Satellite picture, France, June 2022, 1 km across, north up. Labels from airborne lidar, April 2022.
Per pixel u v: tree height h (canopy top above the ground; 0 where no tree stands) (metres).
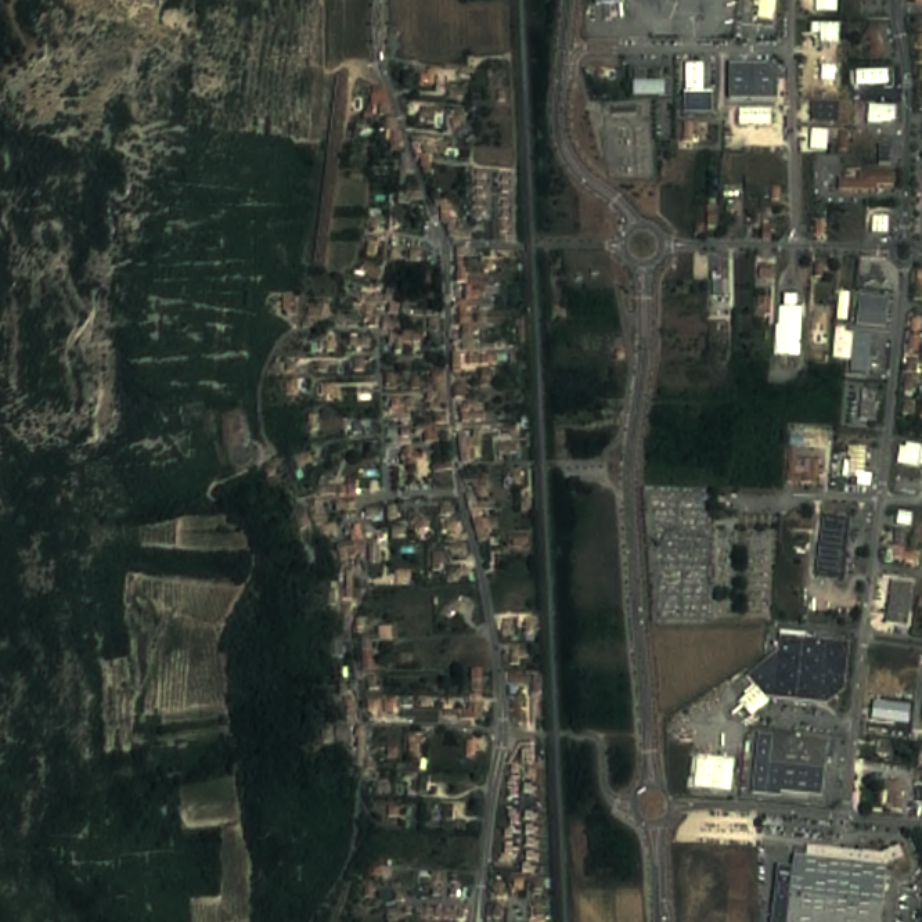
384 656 15
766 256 0
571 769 6
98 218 8
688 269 0
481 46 0
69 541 8
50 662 8
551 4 10
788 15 0
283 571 10
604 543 0
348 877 9
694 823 0
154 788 11
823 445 0
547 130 6
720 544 0
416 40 0
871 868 0
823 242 0
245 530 7
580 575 0
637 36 0
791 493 0
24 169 10
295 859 5
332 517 7
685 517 0
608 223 0
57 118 7
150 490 6
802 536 6
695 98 0
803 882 0
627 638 0
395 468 7
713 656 0
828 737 0
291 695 16
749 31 0
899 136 0
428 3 0
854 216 0
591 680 9
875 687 0
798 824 0
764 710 0
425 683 7
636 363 0
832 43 0
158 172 6
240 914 0
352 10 0
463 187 9
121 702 0
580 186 0
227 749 10
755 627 0
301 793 8
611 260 0
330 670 6
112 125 7
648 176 0
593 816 8
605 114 0
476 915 0
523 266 0
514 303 9
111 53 0
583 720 9
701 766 0
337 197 0
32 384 6
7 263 10
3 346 10
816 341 0
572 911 0
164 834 7
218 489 11
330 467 9
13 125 7
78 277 11
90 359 0
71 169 11
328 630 8
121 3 0
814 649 0
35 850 8
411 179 8
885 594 0
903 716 0
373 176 6
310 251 0
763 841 0
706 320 0
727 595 9
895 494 0
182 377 5
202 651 0
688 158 0
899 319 0
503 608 0
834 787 0
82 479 6
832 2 0
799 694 0
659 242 0
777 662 0
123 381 7
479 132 8
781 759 0
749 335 13
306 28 0
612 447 0
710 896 0
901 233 0
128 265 7
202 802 0
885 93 0
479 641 0
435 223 0
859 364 0
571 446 7
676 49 0
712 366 0
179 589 0
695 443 5
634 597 0
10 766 7
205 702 0
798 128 0
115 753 12
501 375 8
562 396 11
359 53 0
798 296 0
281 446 6
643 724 0
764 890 0
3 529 7
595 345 0
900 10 0
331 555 7
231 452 0
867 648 0
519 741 0
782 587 0
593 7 0
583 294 7
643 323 0
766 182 0
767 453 6
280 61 0
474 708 0
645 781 0
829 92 0
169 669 0
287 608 17
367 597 8
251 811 8
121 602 8
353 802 11
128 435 9
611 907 0
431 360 11
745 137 0
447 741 6
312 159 7
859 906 0
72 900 12
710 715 0
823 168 0
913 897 0
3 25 6
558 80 0
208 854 7
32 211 6
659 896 0
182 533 0
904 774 0
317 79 0
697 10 0
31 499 8
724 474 9
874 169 0
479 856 0
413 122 10
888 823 0
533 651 13
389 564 8
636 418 0
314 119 0
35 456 8
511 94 0
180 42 0
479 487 0
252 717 19
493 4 0
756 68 0
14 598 7
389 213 9
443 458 10
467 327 0
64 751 6
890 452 0
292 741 19
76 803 10
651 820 0
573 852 0
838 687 0
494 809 0
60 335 7
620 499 0
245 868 0
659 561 0
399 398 0
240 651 16
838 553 0
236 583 9
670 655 0
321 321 7
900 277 0
